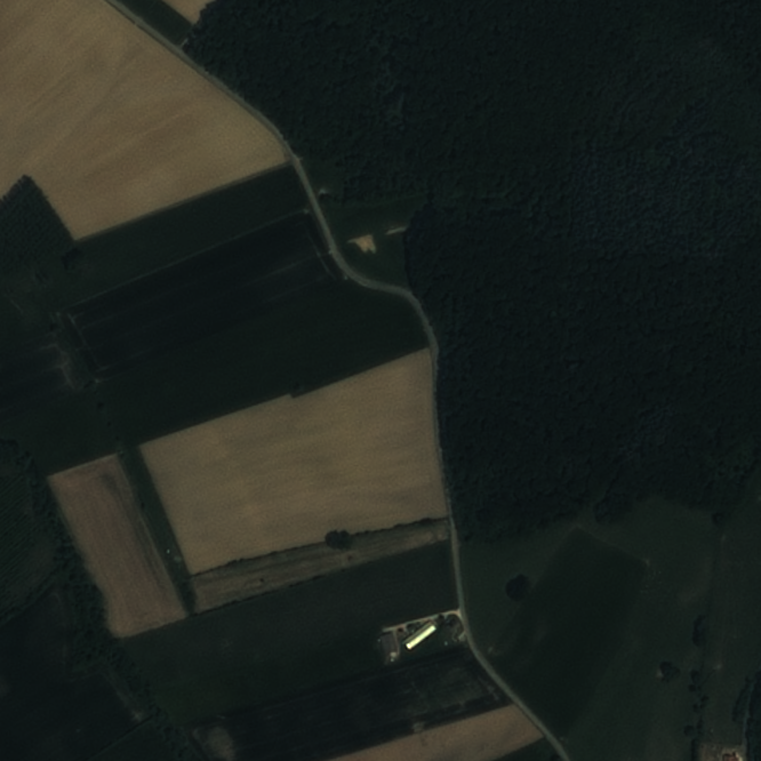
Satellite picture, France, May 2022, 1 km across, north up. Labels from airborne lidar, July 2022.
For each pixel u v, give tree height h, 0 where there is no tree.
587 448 25
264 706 0
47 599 0
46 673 0
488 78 22
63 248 24
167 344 0
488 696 0
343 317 0
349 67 28
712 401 21
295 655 0
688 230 23
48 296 0
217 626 0
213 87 0
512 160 22
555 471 22
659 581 0
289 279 0
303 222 0
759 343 18
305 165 0
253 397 0
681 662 0
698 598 0
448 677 0
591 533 0
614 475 20
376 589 0
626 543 0
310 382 0
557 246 26
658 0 16
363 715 0
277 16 25
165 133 0
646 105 16
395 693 0
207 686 0
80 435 0
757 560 0
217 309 0
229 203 0
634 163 28
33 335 0
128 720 0
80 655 7
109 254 0
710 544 0
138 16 0
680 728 0
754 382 16
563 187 24
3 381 0
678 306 22
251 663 0
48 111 0
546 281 27
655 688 0
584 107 21
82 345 0
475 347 21
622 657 0
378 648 0
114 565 0
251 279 0
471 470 22
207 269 0
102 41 0
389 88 20
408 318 0
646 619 0
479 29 21
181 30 0
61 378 0
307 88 28
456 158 21
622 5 21
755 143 15
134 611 0
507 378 26
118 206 0
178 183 0
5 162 0
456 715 0
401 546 0
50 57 0
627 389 25
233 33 27
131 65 0
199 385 0
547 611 0
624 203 21
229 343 0
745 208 20
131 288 0
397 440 0
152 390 0
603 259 21
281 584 0
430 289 23
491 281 22
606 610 0
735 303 18
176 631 0
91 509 0
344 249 0
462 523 15
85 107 0
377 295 0
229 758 0
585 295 25
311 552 0
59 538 10
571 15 19
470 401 26
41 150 0
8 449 21
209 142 0
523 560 0
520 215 26
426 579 0
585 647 0
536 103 17
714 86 13
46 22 0
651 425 24
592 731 0
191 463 0
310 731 0
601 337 27
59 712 0
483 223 25
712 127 15
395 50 25
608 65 20
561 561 0
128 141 0
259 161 0
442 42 22
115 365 0
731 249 21
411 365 0
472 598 0
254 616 0
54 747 0
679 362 24
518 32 23
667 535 0
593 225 25
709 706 9
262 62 30
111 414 0
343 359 0
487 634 0
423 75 24
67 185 0
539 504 27
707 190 22
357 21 19
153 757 0
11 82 0
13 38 0
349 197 12
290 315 0
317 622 0
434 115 24
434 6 22
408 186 14
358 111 25
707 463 9
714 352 19
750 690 6
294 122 23
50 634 0
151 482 0
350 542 12
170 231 0
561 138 23
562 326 25
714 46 15
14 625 0
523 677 0
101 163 0
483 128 20
